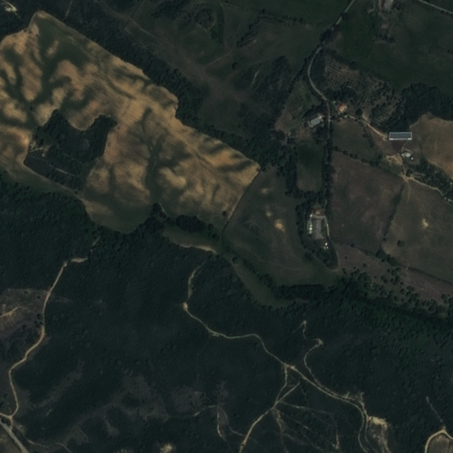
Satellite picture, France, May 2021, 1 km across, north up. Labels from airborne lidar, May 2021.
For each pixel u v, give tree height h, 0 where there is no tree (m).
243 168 0
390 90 9
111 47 8
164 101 0
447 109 9
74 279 6
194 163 0
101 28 6
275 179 0
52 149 10
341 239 0
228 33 0
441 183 6
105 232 9
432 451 0
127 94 0
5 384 0
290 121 0
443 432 0
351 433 6
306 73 8
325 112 22
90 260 9
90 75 0
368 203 0
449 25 0
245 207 0
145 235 14
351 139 0
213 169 0
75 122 0
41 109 0
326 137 13
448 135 0
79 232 9
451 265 0
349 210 0
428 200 0
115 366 6
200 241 0
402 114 8
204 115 0
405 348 8
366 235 0
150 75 8
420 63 0
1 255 6
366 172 0
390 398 6
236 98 0
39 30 0
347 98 13
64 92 0
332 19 0
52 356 7
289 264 0
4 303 0
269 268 0
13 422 0
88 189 0
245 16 0
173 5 6
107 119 7
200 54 0
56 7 5
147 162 0
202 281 7
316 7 0
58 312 6
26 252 6
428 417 6
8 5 0
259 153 12
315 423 7
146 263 7
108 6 0
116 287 6
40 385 6
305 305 7
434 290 0
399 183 0
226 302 8
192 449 7
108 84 0
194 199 0
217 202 0
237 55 0
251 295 12
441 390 7
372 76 8
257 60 0
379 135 0
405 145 0
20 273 8
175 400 0
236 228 0
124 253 11
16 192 7
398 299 11
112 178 0
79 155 11
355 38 0
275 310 6
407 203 0
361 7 0
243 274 0
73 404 6
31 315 0
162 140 0
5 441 0
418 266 0
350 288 16
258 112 0
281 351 5
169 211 0
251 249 0
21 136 0
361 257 0
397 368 9
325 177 6
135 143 0
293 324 7
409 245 0
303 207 8
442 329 9
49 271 8
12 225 8
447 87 0
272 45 0
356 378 9
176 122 0
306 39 0
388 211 0
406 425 7
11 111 0
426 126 0
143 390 0
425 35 0
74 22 7
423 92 6
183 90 13
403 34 0
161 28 0
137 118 0
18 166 0
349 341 6
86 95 0
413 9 0
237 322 6
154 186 0
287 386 0
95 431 6
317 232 0
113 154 0
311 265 0
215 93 0
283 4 0
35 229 9
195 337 7
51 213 13
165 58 0
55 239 11
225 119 0
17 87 0
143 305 7
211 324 5
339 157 0
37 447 0
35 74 0
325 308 6
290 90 9
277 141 6
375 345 7
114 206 0
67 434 0
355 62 9
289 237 0
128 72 0
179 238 0
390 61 0
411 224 0
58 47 0
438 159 0
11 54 0
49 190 0
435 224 0
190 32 0
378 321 10
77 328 9
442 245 0
